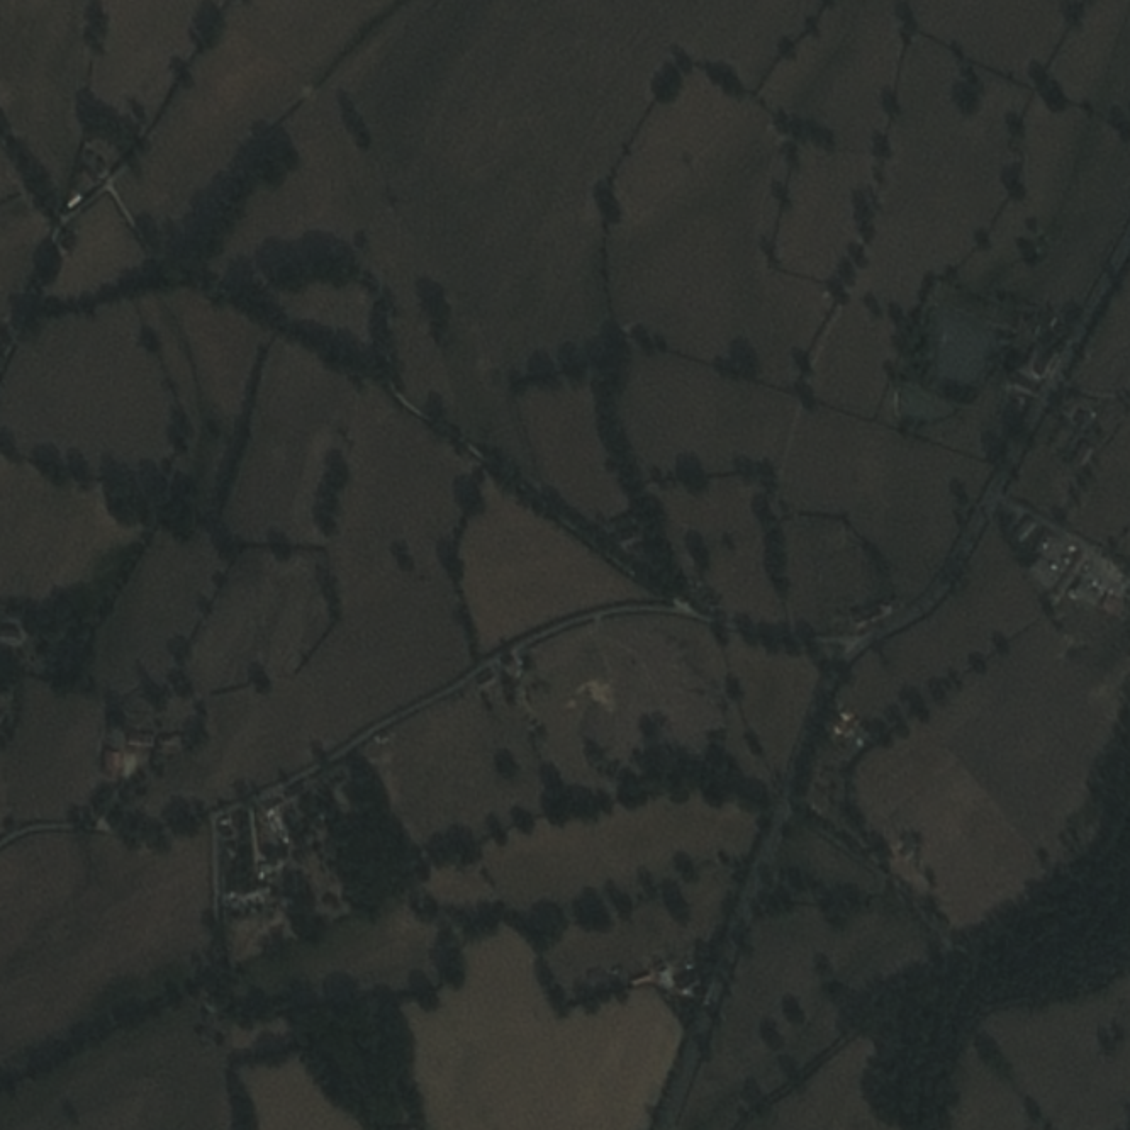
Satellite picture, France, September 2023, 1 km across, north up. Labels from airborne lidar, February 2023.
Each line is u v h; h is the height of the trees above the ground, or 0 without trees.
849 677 12
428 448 0
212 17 20
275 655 0
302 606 0
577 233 0
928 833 0
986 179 0
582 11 0
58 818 0
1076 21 16
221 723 0
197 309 0
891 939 0
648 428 0
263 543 0
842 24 0
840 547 0
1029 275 0
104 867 0
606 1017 0
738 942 14
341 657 0
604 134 0
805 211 0
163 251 21
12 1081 12
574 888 0
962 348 0
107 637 0
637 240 0
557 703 0
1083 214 0
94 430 0
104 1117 0
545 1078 0
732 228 0
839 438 0
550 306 0
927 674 0
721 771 10
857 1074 0
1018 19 0
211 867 0
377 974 0
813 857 0
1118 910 19
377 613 0
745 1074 0
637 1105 0
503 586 0
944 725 0
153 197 0
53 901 0
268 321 21
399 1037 24
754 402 0
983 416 0
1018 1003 17
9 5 0
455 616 0
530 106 0
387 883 24
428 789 0
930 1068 17
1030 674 0
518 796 0
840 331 0
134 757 0
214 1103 0
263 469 0
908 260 0
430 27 0
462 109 0
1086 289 0
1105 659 0
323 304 0
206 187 0
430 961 0
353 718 0
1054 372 0
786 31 0
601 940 0
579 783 0
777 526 11
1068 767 0
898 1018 10
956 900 0
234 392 0
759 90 0
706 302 0
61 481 13
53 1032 0
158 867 0
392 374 13
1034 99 0
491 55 0
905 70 0
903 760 0
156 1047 0
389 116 0
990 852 0
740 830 0
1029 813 0
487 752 0
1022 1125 0
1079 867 12
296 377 0
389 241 0
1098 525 0
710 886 0
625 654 0
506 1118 0
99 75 0
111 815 13
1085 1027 0
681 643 0
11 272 0
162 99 0
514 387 14
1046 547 0
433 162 0
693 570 0
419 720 0
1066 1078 0
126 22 0
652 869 0
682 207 0
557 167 0
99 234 0
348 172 0
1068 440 0
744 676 0
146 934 0
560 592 0
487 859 0
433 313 20
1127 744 16
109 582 0
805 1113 0
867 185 0
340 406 0
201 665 0
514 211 0
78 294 0
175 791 0
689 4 0
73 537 0
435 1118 0
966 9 0
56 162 0
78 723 0
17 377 0
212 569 0
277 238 0
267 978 0
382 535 0
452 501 0
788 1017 14
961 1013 16
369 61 0
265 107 0
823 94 0
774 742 0
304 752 0
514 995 0
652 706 0
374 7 0
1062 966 20
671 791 22
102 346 0
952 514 0
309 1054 18
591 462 0
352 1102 19
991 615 0
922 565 0
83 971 0
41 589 0
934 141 0
